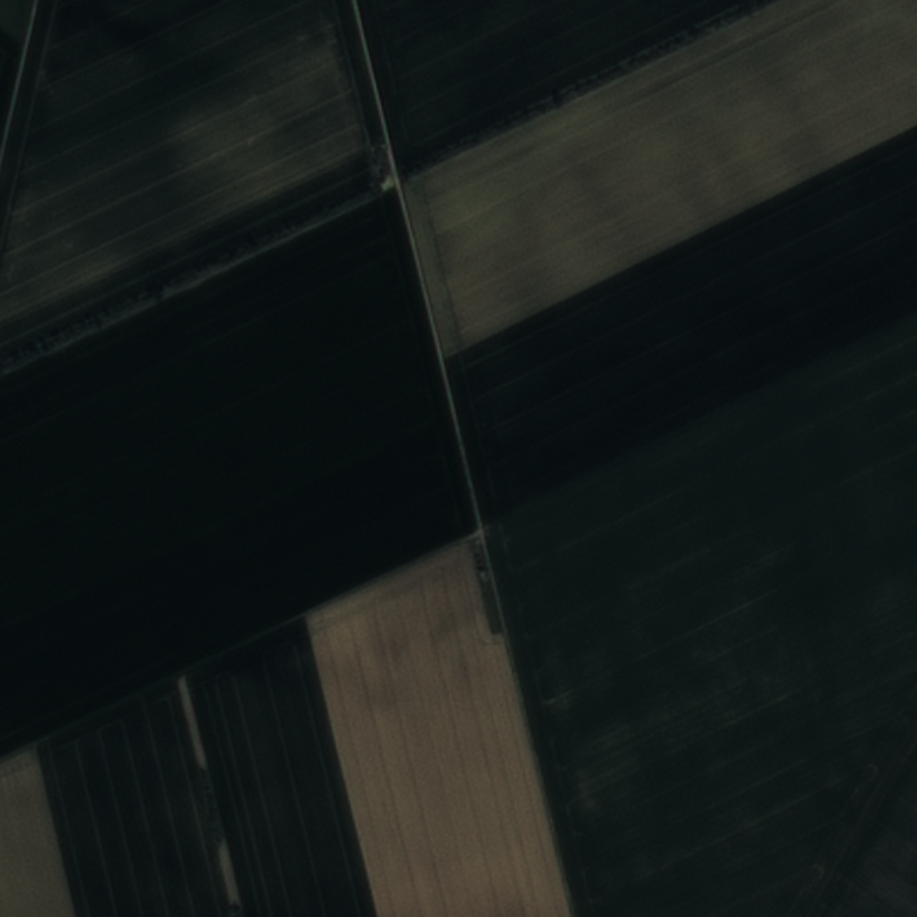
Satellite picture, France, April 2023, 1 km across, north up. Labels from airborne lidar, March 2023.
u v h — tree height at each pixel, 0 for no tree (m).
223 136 0
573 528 0
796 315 0
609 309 0
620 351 0
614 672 0
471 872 0
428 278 0
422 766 0
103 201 0
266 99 0
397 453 0
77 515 0
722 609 0
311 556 0
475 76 0
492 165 0
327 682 0
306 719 0
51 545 0
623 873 0
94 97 0
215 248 0
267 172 0
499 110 0
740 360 0
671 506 0
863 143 0
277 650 0
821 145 0
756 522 0
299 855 0
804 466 0
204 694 0
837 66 0
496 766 0
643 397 0
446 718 0
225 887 0
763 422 0
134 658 0
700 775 0
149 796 0
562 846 0
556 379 0
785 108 0
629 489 0
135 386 0
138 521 0
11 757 0
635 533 0
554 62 0
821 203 0
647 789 0
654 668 0
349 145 0
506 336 0
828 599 0
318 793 0
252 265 0
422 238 0
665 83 0
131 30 0
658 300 0
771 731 0
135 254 0
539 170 0
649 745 0
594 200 0
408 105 0
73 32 0
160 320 0
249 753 0
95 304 0
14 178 0
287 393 0
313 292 0
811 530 0
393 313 0
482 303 0
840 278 0
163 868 0
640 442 0
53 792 0
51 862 0
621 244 0
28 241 0
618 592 0
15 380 0
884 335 0
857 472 0
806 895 0
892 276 0
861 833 0
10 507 0
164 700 0
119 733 0
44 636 0
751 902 0
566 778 0
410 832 0
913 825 0
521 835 0
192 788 0
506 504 0
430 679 0
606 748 0
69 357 0
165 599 0
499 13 0
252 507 0
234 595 0
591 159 0
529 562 0
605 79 7
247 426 0
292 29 0
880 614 0
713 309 0
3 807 0
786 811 0
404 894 0
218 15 0
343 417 0
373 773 0
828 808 0
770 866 0
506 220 0
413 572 0
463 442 0
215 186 0
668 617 0
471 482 0
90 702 0
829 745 0
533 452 0
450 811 0
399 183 0
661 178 0
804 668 0
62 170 0
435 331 0
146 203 0
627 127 0
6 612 0
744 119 0
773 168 0
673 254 0
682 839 0
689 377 0
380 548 0
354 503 0
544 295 0
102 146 0
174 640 0
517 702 0
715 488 0
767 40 0
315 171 0
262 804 0
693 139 0
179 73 0
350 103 0
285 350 0
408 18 0
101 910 0
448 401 0
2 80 0
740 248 0
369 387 0
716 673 0
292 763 0
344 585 0
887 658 0
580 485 0
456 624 0
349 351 0
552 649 0
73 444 0
